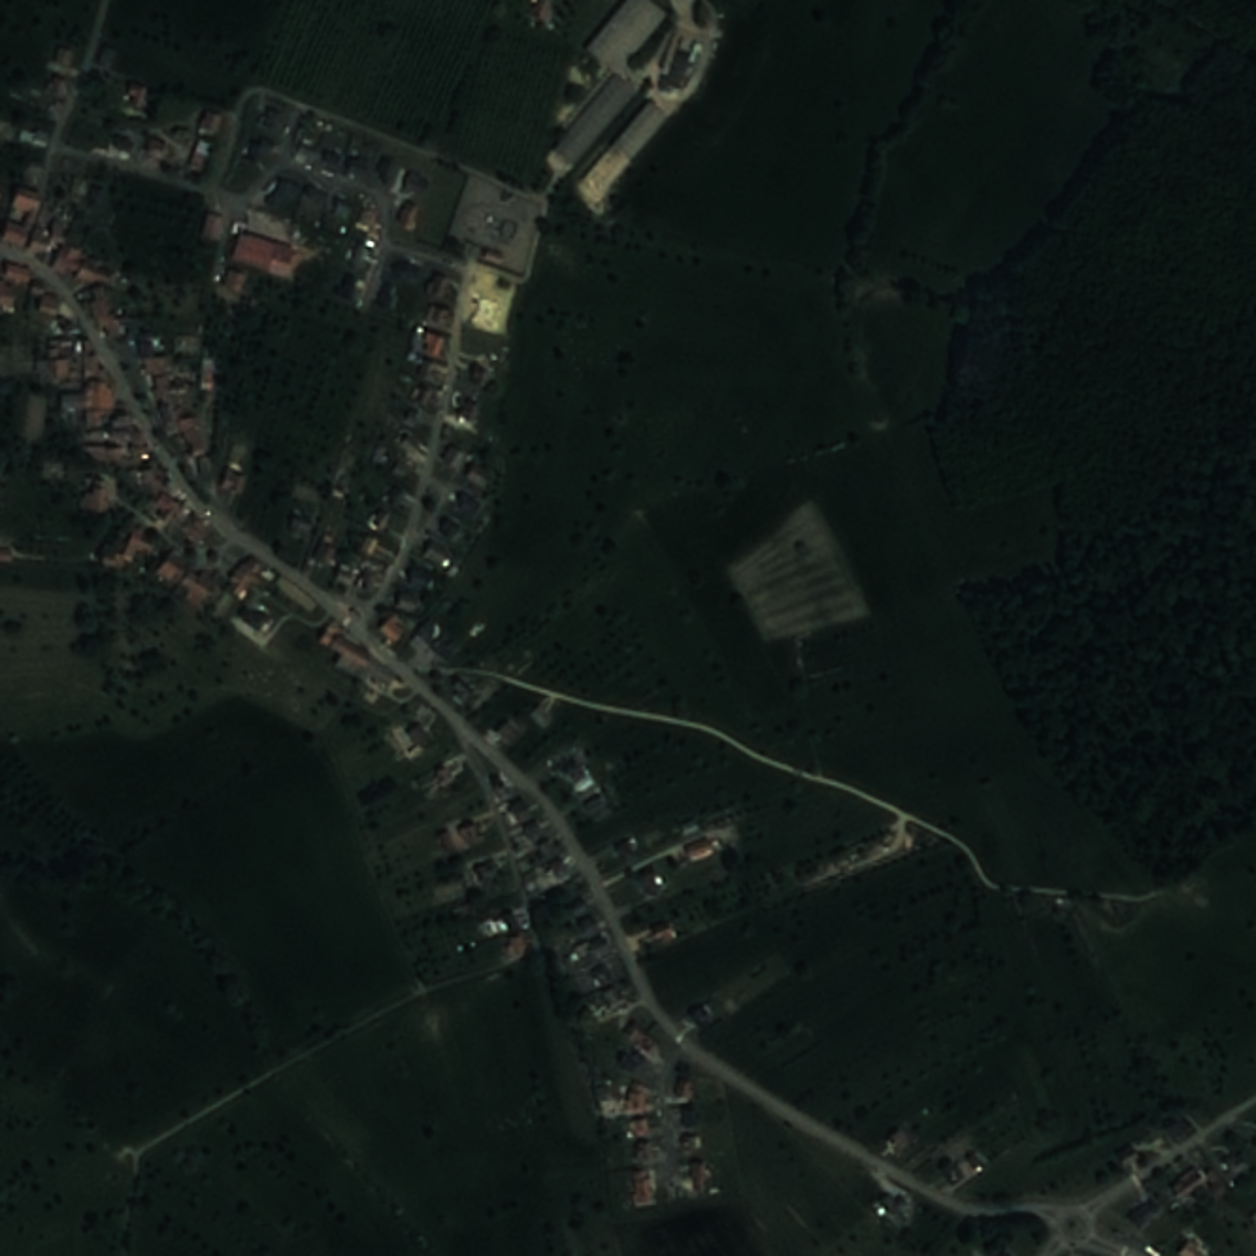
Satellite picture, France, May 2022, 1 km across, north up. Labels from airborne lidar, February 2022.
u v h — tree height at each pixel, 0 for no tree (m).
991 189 0
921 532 0
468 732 0
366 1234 0
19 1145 0
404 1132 0
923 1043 0
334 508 0
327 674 0
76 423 0
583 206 0
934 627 0
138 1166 0
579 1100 0
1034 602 28
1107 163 20
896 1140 0
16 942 0
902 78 0
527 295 0
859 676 0
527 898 0
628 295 0
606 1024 0
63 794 0
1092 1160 0
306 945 0
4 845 0
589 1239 0
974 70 0
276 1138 0
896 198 0
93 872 16
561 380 0
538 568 0
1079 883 0
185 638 0
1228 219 21
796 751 0
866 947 0
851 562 0
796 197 0
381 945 0
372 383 0
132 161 0
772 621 0
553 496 0
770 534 0
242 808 0
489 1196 0
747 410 0
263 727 0
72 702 0
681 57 0
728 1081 0
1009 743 0
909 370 0
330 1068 0
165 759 0
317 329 0
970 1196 0
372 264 0
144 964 0
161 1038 0
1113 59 13
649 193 0
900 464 0
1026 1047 0
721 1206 0
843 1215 0
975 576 0
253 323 10
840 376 0
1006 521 0
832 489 0
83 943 0
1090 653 27
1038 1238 11
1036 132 0
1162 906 0
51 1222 0
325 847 0
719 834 0
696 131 0
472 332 0
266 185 0
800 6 0
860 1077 0
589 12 0
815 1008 0
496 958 0
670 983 0
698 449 0
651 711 0
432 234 0
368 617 0
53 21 0
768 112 0
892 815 0
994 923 0
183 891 0
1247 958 0
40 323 0
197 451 0
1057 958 0
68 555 0
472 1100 0
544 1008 0
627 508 0
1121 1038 0
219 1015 0
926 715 0
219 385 10
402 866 0
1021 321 24
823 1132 0
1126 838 8
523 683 0
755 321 0
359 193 0
